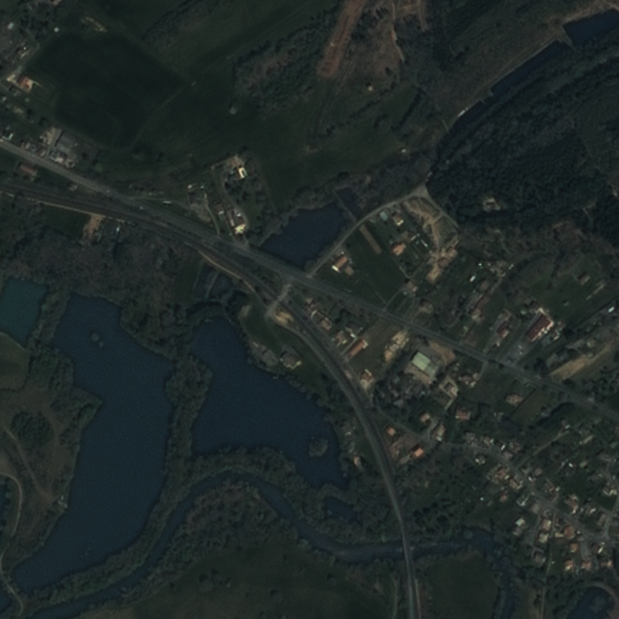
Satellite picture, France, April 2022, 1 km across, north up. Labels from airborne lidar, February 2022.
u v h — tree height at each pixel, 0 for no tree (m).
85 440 0
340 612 0
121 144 0
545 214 14
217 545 14
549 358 0
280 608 0
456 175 21
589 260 0
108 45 0
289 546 0
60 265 23
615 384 5
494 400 0
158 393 0
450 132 0
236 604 0
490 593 0
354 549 0
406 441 18
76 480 0
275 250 0
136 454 0
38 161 0
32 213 13
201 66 0
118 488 0
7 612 15
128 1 0
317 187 0
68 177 0
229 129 0
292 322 0
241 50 0
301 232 0
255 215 0
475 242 23
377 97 0
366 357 0
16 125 0
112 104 0
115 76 0
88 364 0
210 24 0
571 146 21
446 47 18
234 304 22
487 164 21
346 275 0
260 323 0
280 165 0
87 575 18
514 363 0
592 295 0
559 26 14
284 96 12
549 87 24
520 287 20
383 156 0
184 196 0
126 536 0
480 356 0
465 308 13
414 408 18
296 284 0
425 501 0
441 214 0
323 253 17
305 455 0
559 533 0
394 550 0
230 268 0
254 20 0
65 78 0
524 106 26
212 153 0
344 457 23
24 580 0
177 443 21
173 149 0
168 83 0
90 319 0
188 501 0
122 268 26
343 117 0
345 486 0
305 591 0
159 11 0
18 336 0
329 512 13
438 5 22
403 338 0
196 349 0
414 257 0
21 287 0
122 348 0
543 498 0
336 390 19
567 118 24
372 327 0
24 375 0
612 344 0
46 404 0
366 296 0
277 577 0
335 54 21
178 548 9
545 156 22
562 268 18
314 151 0
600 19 0
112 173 0
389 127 19
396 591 0
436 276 0
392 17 0
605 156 9
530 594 0
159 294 25
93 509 0
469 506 0
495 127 25
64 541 0
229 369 0
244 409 0
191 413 22
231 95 0
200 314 23
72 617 0
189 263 0
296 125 0
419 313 0
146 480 0
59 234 16
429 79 13
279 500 0
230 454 19
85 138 0
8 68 13
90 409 15
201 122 0
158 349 14
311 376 0
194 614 0
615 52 23
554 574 0
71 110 0
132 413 0
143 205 0
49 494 0
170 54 0
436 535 20
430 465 18
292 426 0
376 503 27
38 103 0
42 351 15
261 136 0
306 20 0
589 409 0
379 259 0
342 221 0
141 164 0
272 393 0
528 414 0
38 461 0
